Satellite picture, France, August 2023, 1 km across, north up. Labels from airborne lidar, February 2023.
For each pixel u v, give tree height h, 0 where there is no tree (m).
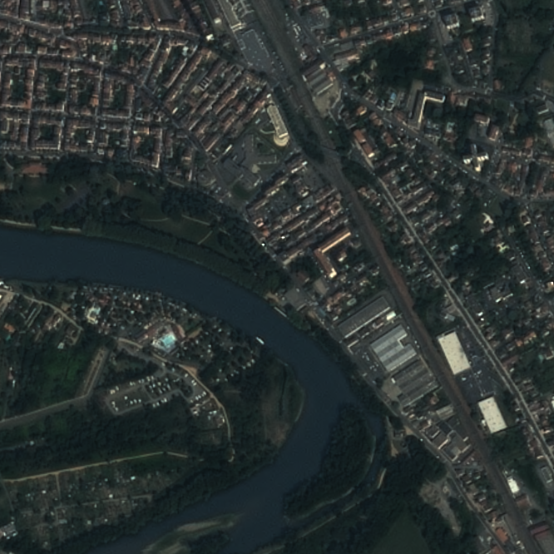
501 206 0
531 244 6
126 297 0
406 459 18
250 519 0
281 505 0
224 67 0
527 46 0
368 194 0
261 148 12
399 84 17
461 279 7
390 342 0
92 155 11
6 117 0
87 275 0
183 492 22
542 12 8
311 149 12
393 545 0
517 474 0
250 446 14
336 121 0
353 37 0
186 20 0
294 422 0
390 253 12
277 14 0
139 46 6
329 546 6
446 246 14
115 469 0
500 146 0
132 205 22
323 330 7
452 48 10
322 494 19
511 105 0
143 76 0
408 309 0
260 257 32
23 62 0
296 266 11
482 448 0
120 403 0
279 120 0
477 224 0
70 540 6
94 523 6
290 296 0
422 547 0
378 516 33
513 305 0
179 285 0
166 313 8
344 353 17
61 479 0
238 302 0
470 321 0
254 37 0
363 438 14
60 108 0
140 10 0
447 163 9
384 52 14
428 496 0
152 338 0
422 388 0
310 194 10
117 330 7
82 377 16
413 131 0
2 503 0
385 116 0
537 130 17
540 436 0
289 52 0
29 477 0
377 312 0
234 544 0
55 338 6
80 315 12
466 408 0
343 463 30
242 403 7
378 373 0
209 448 7
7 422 0
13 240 0
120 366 0
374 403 20
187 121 0
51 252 0
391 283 0
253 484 0
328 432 0
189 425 7
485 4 0
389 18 7
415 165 11
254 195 0
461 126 11
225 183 0
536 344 7
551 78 0
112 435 14
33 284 0
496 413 0
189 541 0
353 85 20
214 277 0
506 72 7
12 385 10
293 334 0
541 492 0
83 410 0
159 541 0
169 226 0
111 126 0
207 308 0
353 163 12
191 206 30
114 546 0
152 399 0
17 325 10
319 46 0
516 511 0
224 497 0
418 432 0
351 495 0
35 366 10
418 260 0
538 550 0
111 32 21
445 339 0
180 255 21
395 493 18
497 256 9
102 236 21
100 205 11
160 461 0
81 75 8
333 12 8
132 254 0
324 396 0
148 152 6
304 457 0
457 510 15
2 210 14
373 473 0
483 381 0
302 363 0
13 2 0
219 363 19
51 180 14
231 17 0
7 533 0
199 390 0
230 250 26
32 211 0
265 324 0
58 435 6
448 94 0
